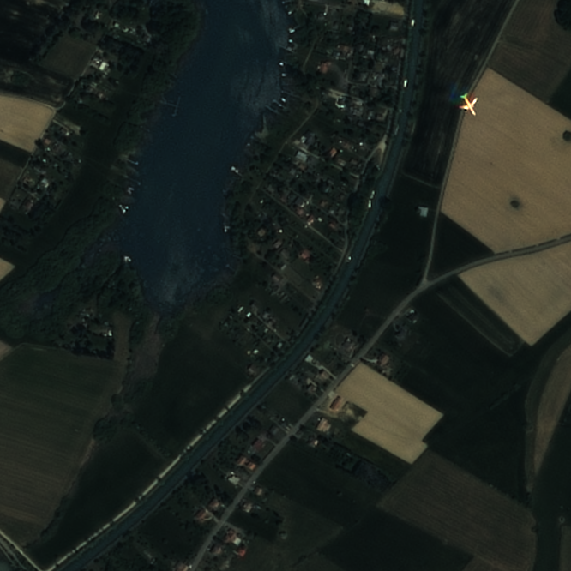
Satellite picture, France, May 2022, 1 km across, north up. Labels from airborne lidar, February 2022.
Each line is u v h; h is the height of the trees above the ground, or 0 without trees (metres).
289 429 0
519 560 0
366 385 0
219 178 0
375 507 0
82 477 0
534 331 0
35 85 0
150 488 0
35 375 0
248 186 6
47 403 0
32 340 0
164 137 0
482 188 0
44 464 0
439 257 0
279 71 0
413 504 0
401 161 0
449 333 0
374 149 0
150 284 0
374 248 7
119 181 0
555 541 0
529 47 0
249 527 0
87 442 0
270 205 15
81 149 0
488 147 0
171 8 18
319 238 0
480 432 0
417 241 0
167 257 0
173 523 0
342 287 0
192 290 0
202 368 0
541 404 0
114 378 0
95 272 7
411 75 0
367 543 0
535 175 0
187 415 0
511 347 0
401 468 0
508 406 0
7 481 0
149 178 0
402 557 0
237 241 15
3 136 0
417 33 0
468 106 0
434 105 0
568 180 0
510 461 0
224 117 0
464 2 0
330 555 0
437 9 0
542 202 0
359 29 13
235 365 0
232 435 0
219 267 0
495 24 0
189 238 0
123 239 0
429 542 0
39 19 0
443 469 0
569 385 0
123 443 0
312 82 13
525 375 0
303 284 0
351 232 7
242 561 0
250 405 0
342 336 0
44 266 7
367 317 0
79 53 0
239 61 0
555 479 0
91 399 0
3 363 0
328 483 0
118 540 0
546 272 0
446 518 0
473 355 0
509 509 0
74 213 0
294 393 0
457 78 0
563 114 0
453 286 0
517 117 0
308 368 0
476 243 0
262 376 0
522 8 0
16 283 6
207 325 0
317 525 0
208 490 10
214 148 0
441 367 0
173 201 0
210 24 0
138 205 0
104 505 0
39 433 0
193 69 0
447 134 0
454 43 0
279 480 0
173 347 0
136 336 8
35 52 15
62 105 0
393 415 0
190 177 0
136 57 15
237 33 0
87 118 0
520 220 0
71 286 8
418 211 7
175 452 0
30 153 0
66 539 0
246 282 0
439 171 0
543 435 0
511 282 0
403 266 0
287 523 0
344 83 0
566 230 0
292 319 0
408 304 0
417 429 0
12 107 0
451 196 0
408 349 0
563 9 13
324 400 0
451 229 0
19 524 0
